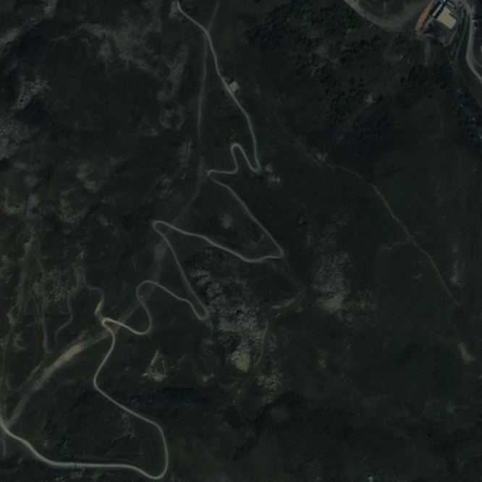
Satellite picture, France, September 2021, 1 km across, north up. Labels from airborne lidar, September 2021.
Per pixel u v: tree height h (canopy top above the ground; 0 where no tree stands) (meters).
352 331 0
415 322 0
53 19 0
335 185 0
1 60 0
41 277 0
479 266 0
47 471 0
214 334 0
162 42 0
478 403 0
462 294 0
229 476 0
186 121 0
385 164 0
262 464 0
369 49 6
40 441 0
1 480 0
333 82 9
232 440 0
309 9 7
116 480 0
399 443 0
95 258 0
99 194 0
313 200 0
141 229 0
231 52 0
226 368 0
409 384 0
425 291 0
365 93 6
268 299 0
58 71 0
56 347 0
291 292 0
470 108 7
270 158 0
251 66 0
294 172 0
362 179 0
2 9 0
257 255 0
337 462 0
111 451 0
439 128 0
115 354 0
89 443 0
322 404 0
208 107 0
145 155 0
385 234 0
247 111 0
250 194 0
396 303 0
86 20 0
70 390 0
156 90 0
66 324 0
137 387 0
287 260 0
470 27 0
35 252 0
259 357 0
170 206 0
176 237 0
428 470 0
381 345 0
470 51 0
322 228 0
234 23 0
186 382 0
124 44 0
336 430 0
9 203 0
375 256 0
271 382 0
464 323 0
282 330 0
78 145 0
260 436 0
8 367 0
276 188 0
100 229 0
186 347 0
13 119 0
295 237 0
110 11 0
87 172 0
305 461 0
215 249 0
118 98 0
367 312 0
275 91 0
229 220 0
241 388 0
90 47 0
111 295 0
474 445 0
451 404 0
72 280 0
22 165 0
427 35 0
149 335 0
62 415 0
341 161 0
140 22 0
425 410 0
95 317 0
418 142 0
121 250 0
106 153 0
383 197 0
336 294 0
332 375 0
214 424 0
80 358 0
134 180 0
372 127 6
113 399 0
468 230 0
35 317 0
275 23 7
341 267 0
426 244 0
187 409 0
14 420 0
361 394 0
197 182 0
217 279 0
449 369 0
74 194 0
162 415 0
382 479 0
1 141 0
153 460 0
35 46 0
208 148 0
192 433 0
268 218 0
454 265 0
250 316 0
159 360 0
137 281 0
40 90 0
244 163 0
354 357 0
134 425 0
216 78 0
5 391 0
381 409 0
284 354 0
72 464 0
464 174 0
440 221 0
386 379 0
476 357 0
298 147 0
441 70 7
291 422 0
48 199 0
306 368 0
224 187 0
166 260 0
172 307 0
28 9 0
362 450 0
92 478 0
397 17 0
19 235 0
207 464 0
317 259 0
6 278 0
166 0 0
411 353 0
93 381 0
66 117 0
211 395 0
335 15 8
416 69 10
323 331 0
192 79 0
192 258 0
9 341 0
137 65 0
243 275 0
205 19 0
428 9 0
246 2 0
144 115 0
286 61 0
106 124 0
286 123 0
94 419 0
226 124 0
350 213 0
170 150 0
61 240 0
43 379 0
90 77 0
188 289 0
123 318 0
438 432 0
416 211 0
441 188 0
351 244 0
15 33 0
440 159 0
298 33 8
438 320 0
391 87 0
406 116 0
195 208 0
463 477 0
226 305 0
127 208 0
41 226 0
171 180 0
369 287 0
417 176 0
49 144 0
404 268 0
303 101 0
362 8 0
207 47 0
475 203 0
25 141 0
